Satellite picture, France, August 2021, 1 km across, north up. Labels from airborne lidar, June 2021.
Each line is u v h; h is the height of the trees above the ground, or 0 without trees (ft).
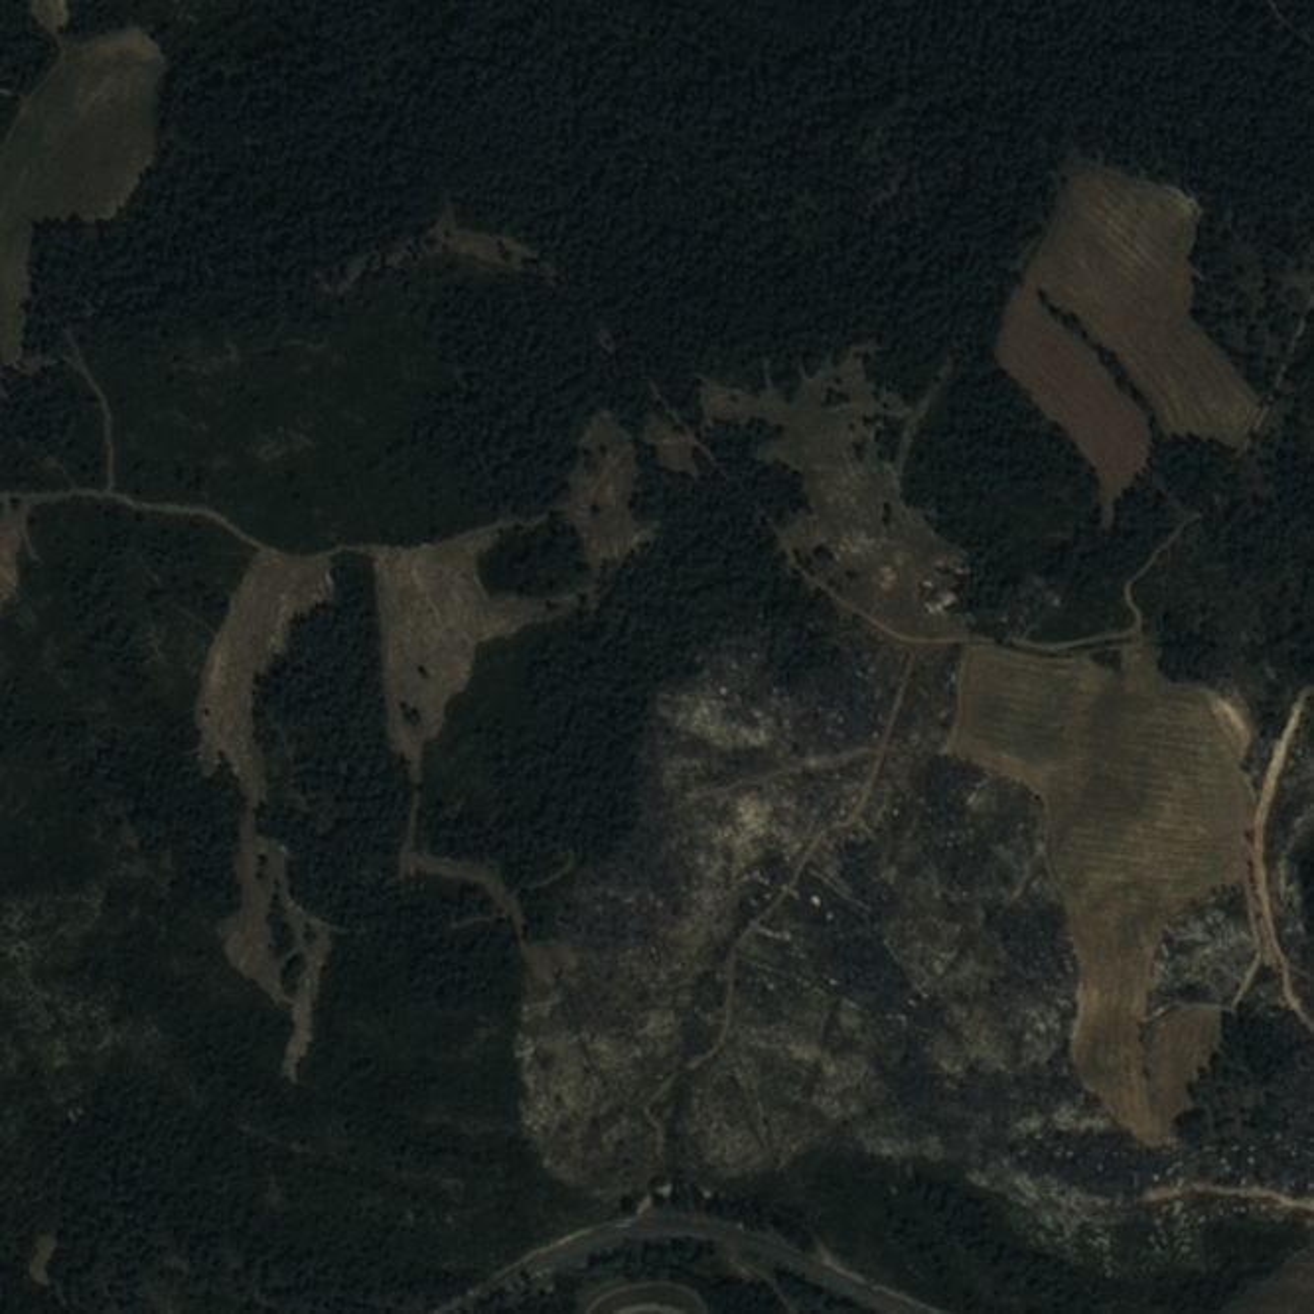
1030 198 35
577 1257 0
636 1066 0
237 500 0
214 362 0
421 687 0
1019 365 0
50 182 0
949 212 37
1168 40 61
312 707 45
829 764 0
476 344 47
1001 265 35
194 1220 23
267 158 31
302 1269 44
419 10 19
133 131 0
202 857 34
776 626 27
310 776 33
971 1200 29
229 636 0
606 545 0
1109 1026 0
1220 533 28
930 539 0
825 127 56
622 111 40
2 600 0
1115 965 0
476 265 0
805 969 0
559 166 37
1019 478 25
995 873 0
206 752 0
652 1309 0
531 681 35
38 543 0
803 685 32
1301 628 39
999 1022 0
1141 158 37
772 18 41
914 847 0
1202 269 27
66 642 0
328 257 35
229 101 50
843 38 51
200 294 39
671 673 27
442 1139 19
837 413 0
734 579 37
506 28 52
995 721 0
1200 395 0
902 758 0
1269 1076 29
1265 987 0
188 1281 25
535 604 0
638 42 29
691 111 52
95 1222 30
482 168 47
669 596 25
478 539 0
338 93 52
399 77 34
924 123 33
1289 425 37
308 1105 26
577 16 24
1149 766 0
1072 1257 0
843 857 27
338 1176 21
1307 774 0
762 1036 0
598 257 50
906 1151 0
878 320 29
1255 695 0
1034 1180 0
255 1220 35
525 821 35
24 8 27
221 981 0
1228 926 0
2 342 0
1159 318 0
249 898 0
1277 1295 0
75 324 44
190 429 0
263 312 27
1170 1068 0
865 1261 0
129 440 0
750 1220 70
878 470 0
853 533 0
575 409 20
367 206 46
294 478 29
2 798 0
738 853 0
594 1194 0
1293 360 23
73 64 0
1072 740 0
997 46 61
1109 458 0
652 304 35
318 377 0
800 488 34
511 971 33
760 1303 33
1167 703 0
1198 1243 0
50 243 45
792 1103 0
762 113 43
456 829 47
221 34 18
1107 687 0
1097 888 0
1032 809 0
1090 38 55
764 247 43
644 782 27
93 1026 18
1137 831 0
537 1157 20
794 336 24
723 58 33
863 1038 0
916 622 0
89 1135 34
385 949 23
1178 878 0
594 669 50
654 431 0
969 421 37
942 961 0
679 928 0
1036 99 58
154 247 30
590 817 46
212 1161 21
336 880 29
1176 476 40
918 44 58
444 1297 32
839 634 0
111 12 27
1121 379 42
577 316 49
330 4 57
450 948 24
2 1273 47
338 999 28
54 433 37
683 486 32
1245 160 28
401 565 0
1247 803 0
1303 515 32
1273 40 57
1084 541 32
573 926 29
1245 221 26
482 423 40
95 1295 32
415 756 0
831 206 44
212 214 47
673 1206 21
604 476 0
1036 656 0
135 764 25
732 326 30
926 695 0
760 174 26
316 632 45
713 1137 0
